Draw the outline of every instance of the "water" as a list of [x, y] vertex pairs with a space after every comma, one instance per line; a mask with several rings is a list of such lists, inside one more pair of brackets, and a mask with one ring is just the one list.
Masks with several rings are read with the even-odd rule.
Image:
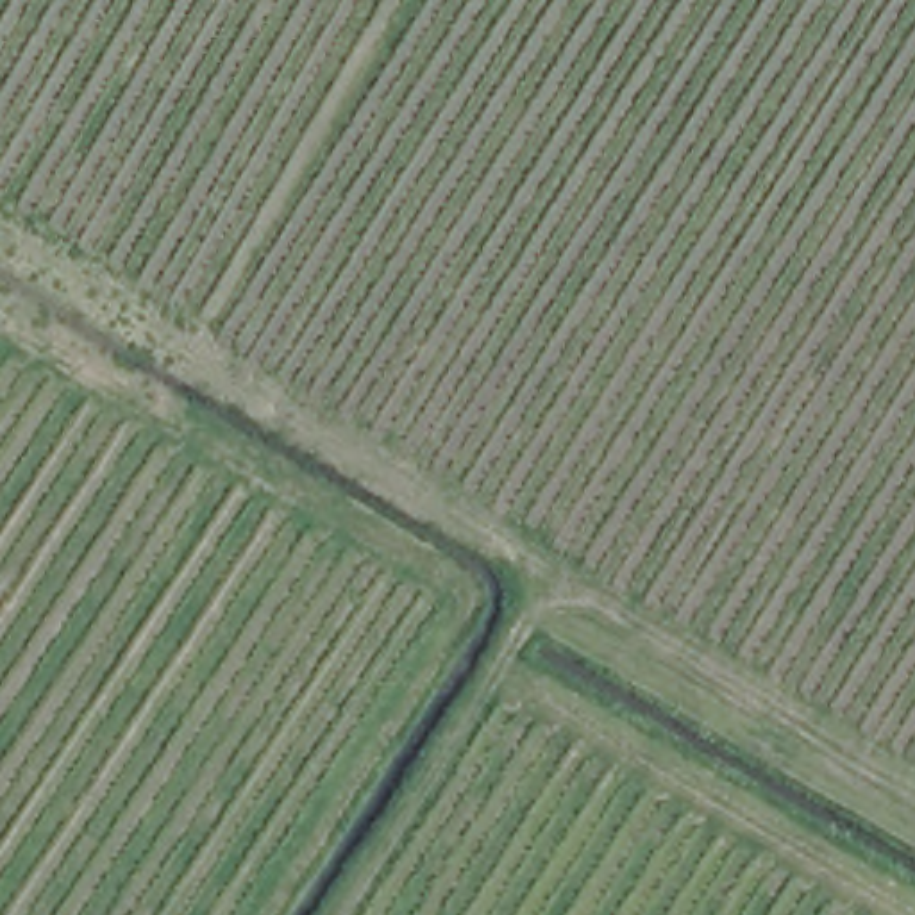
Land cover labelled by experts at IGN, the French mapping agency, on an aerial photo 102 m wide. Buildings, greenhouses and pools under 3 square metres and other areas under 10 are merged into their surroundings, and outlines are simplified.
[[236, 404], [214, 400], [193, 382], [182, 382], [172, 368], [150, 368], [150, 379], [157, 386], [168, 386], [179, 400], [200, 404], [229, 429], [254, 436], [268, 450], [322, 475], [343, 493], [379, 508], [436, 550], [443, 550], [450, 561], [468, 568], [486, 590], [486, 604], [479, 604], [472, 618], [461, 625], [450, 640], [450, 651], [461, 654], [454, 672], [429, 701], [407, 743], [386, 765], [379, 786], [372, 790], [343, 840], [332, 847], [329, 861], [322, 865], [293, 915], [315, 915], [315, 908], [340, 879], [343, 865], [350, 861], [350, 854], [361, 847], [375, 818], [386, 811], [390, 797], [397, 793], [400, 779], [422, 754], [422, 747], [429, 743], [432, 729], [454, 704], [454, 697], [472, 679], [500, 622], [500, 583], [486, 561], [472, 554], [472, 543], [454, 540], [440, 525], [400, 511], [393, 500], [365, 490], [357, 479], [336, 472], [318, 454], [286, 440], [286, 432], [268, 429]]
[[29, 279], [21, 279], [0, 261], [0, 282], [25, 304], [46, 311], [54, 322], [61, 322], [64, 329], [71, 329], [75, 336], [107, 354], [122, 357], [129, 343], [86, 322], [54, 293], [36, 290]]
[[886, 861], [915, 876], [915, 847], [886, 836], [883, 829], [869, 826], [865, 818], [833, 801], [822, 804], [804, 790], [772, 779], [765, 768], [729, 754], [726, 747], [711, 743], [708, 736], [665, 715], [633, 690], [590, 672], [583, 661], [550, 647], [540, 651], [540, 661], [554, 665], [558, 672], [654, 722], [697, 754], [726, 765], [729, 772], [751, 779], [765, 793], [847, 833], [861, 847], [883, 854]]

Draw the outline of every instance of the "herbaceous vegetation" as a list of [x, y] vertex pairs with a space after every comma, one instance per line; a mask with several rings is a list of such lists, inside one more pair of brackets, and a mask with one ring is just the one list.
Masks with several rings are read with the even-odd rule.
[[886, 861], [883, 854], [861, 847], [847, 833], [765, 793], [751, 779], [729, 772], [726, 765], [697, 754], [654, 722], [558, 672], [554, 665], [540, 661], [540, 651], [550, 647], [583, 661], [590, 672], [633, 690], [665, 715], [708, 736], [711, 743], [726, 747], [729, 754], [765, 768], [772, 779], [804, 790], [822, 804], [833, 801], [865, 818], [869, 826], [883, 829], [886, 836], [915, 847], [915, 758], [865, 733], [858, 722], [847, 722], [840, 711], [815, 718], [815, 711], [797, 708], [779, 690], [783, 676], [740, 676], [722, 654], [697, 651], [690, 622], [676, 618], [665, 604], [654, 604], [654, 597], [640, 608], [618, 608], [593, 590], [583, 590], [572, 568], [550, 565], [536, 547], [525, 547], [504, 529], [504, 518], [511, 511], [508, 504], [497, 500], [490, 511], [483, 511], [468, 483], [440, 493], [415, 468], [415, 461], [400, 461], [397, 450], [382, 447], [386, 432], [379, 425], [357, 432], [354, 418], [347, 418], [343, 411], [318, 422], [322, 400], [307, 400], [307, 407], [290, 404], [282, 386], [261, 375], [257, 365], [250, 365], [247, 357], [232, 357], [225, 347], [218, 347], [214, 332], [197, 332], [197, 311], [175, 304], [164, 290], [147, 286], [143, 279], [125, 279], [125, 268], [114, 264], [111, 254], [104, 254], [97, 243], [82, 247], [75, 232], [54, 225], [50, 214], [39, 214], [36, 207], [21, 211], [14, 197], [0, 193], [0, 261], [21, 279], [29, 279], [36, 290], [54, 293], [86, 322], [129, 343], [122, 357], [107, 354], [75, 336], [71, 329], [64, 329], [61, 322], [54, 322], [46, 311], [25, 304], [0, 282], [0, 332], [29, 354], [36, 347], [50, 347], [50, 357], [61, 361], [61, 368], [75, 375], [82, 386], [122, 390], [136, 397], [139, 407], [154, 411], [168, 432], [164, 447], [179, 450], [157, 475], [164, 486], [172, 486], [182, 465], [193, 465], [204, 472], [204, 497], [218, 493], [222, 486], [229, 486], [239, 500], [257, 490], [272, 493], [272, 511], [264, 515], [261, 529], [275, 529], [275, 522], [290, 518], [290, 525], [311, 540], [315, 561], [343, 565], [343, 558], [354, 554], [357, 561], [375, 568], [375, 579], [407, 583], [411, 600], [422, 597], [432, 604], [440, 590], [450, 590], [458, 600], [461, 625], [472, 618], [479, 604], [486, 604], [486, 590], [468, 568], [450, 561], [443, 550], [436, 550], [379, 508], [343, 493], [322, 475], [268, 450], [254, 436], [229, 429], [200, 404], [179, 400], [168, 386], [157, 386], [150, 379], [150, 368], [172, 368], [182, 382], [193, 382], [214, 400], [236, 404], [268, 429], [286, 432], [286, 440], [318, 454], [336, 472], [357, 479], [365, 490], [393, 500], [400, 511], [440, 525], [454, 540], [472, 543], [472, 554], [486, 561], [500, 583], [500, 622], [472, 679], [454, 697], [454, 704], [432, 729], [429, 743], [422, 747], [422, 754], [400, 779], [397, 793], [390, 797], [386, 811], [375, 818], [361, 847], [350, 854], [350, 861], [343, 865], [340, 879], [315, 908], [315, 915], [365, 915], [379, 897], [382, 883], [397, 872], [400, 858], [407, 858], [418, 829], [425, 826], [440, 797], [450, 790], [458, 768], [472, 751], [472, 743], [465, 743], [465, 733], [493, 693], [500, 701], [518, 701], [522, 708], [543, 708], [547, 718], [540, 729], [533, 729], [533, 736], [508, 765], [504, 783], [486, 804], [486, 822], [497, 826], [500, 815], [515, 808], [525, 765], [536, 758], [543, 761], [547, 743], [561, 729], [575, 729], [590, 747], [611, 751], [618, 765], [647, 772], [672, 797], [690, 797], [722, 822], [733, 822], [736, 829], [758, 836], [783, 858], [797, 861], [797, 869], [818, 876], [826, 886], [851, 894], [883, 915], [915, 915], [915, 876]]

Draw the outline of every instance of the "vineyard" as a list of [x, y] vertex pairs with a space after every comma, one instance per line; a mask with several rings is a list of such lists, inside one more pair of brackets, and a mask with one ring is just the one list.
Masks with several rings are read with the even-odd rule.
[[533, 736], [533, 729], [540, 729], [547, 718], [543, 708], [522, 708], [518, 701], [500, 701], [493, 693], [465, 733], [465, 743], [472, 743], [472, 751], [458, 768], [450, 790], [440, 797], [425, 826], [418, 829], [407, 858], [400, 858], [397, 872], [382, 883], [379, 897], [365, 915], [883, 915], [851, 894], [826, 886], [818, 876], [797, 869], [797, 861], [783, 858], [758, 836], [736, 829], [733, 822], [722, 822], [690, 797], [672, 797], [647, 772], [618, 765], [611, 751], [590, 747], [575, 729], [561, 729], [547, 743], [543, 761], [536, 758], [525, 765], [515, 808], [500, 815], [497, 826], [486, 822], [486, 804], [504, 783], [508, 765]]
[[676, 618], [690, 622], [697, 651], [722, 654], [740, 676], [783, 676], [779, 690], [797, 708], [815, 711], [815, 718], [840, 711], [847, 722], [858, 722], [865, 733], [915, 758], [915, 0], [0, 0], [0, 193], [14, 197], [21, 211], [36, 207], [39, 214], [50, 214], [54, 225], [75, 232], [82, 247], [97, 243], [104, 254], [111, 254], [114, 264], [125, 268], [125, 279], [143, 279], [147, 286], [164, 290], [175, 304], [197, 311], [197, 332], [214, 332], [218, 347], [225, 347], [232, 357], [247, 357], [250, 365], [257, 365], [261, 375], [282, 386], [290, 404], [307, 407], [307, 400], [322, 400], [318, 422], [343, 411], [347, 418], [354, 418], [357, 432], [379, 425], [386, 432], [382, 447], [397, 450], [400, 461], [415, 461], [415, 468], [440, 493], [468, 483], [483, 511], [490, 511], [497, 500], [508, 504], [511, 511], [504, 518], [504, 529], [525, 547], [536, 547], [550, 565], [572, 568], [583, 590], [593, 590], [618, 608], [640, 608], [654, 597], [654, 604], [665, 604]]
[[450, 640], [461, 625], [458, 600], [450, 590], [440, 590], [432, 604], [422, 597], [411, 600], [407, 583], [375, 579], [375, 568], [357, 561], [354, 554], [343, 558], [343, 565], [315, 561], [311, 540], [290, 525], [290, 518], [275, 522], [275, 529], [261, 529], [264, 515], [272, 511], [272, 493], [257, 490], [239, 500], [229, 486], [222, 486], [218, 493], [204, 497], [204, 472], [193, 465], [182, 465], [172, 486], [164, 486], [157, 475], [179, 450], [164, 447], [168, 432], [154, 411], [139, 407], [136, 397], [122, 390], [82, 386], [75, 375], [61, 368], [61, 361], [50, 357], [50, 347], [36, 347], [29, 354], [0, 332], [0, 915], [293, 915], [322, 865], [329, 861], [332, 847], [343, 840], [372, 790], [379, 786], [386, 765], [407, 743], [429, 701], [454, 672], [461, 654], [450, 651]]

